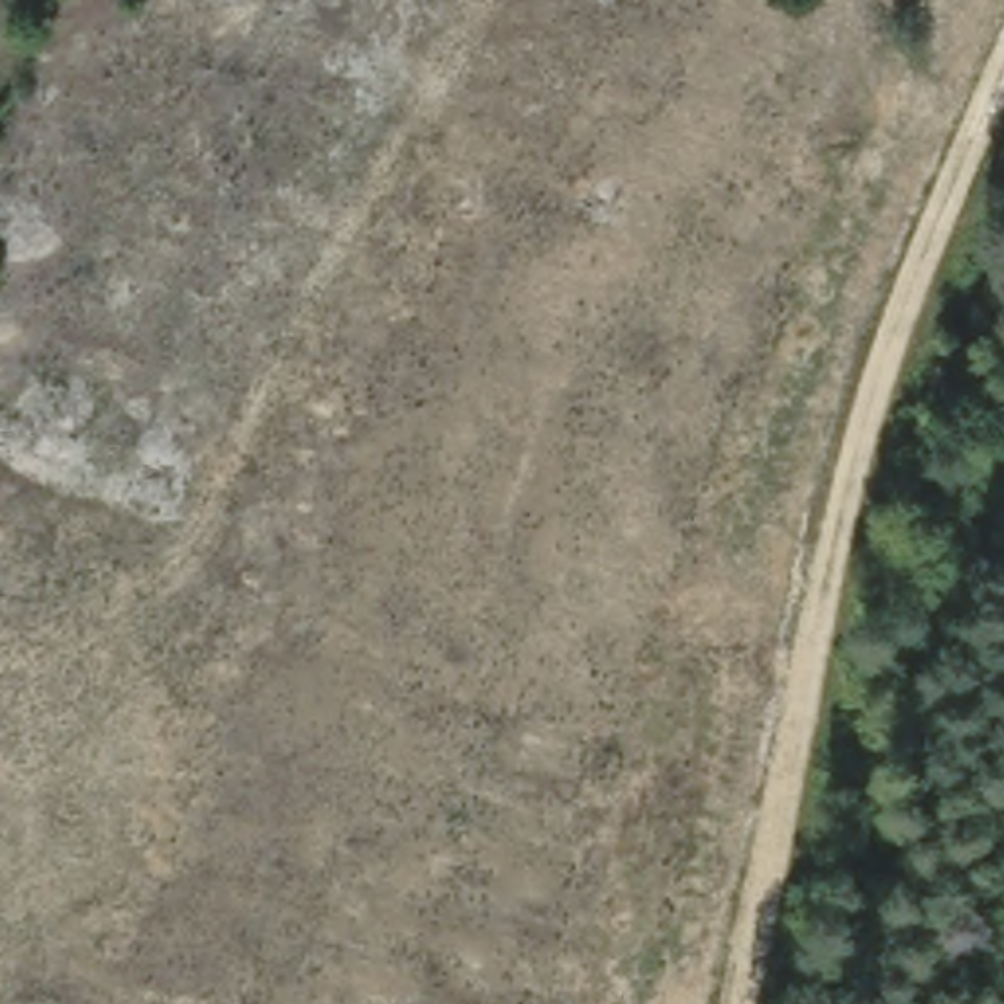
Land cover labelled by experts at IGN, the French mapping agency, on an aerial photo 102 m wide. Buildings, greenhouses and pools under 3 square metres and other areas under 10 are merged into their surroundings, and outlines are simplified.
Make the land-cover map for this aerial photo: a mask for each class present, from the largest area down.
<instances>
[{"label":"herbaceous vegetation","instance_id":"1","mask_svg":"<svg viewBox=\"0 0 1004 1004\"><path fill-rule=\"evenodd\" d=\"M929 39L910 43L902 51L894 43V31H886L894 20L890 0H63L59 16L51 20V43L39 51L35 94L16 102V118L0 137V1004H726L733 929L741 918V898L761 831V804L769 788V765H757V737L765 726V706L777 694L773 655L777 647H796L835 463L843 451L847 420L859 396V380L879 322L886 314L918 224L937 188V176L949 161V149L969 118L973 94L1004 31V0H933Z\"/></svg>","mask_w":1004,"mask_h":1004},{"label":"coniferous trees","instance_id":"2","mask_svg":"<svg viewBox=\"0 0 1004 1004\"><path fill-rule=\"evenodd\" d=\"M63 0H0V137L16 118V102L35 94L39 51L51 43V20L59 16ZM757 1004H1004V106L992 118L988 153L969 184V196L937 263L933 286L914 322L902 373L879 431L867 490L855 514L835 635L824 667L820 726L812 737V757L796 812L792 863L757 914Z\"/></svg>","mask_w":1004,"mask_h":1004},{"label":"pervious surface","instance_id":"3","mask_svg":"<svg viewBox=\"0 0 1004 1004\"><path fill-rule=\"evenodd\" d=\"M1004 106V31L973 94L969 118L949 149V161L937 176V188L918 224L886 314L879 322L859 380V396L847 420L843 451L835 463L796 647H777L773 655L777 694L765 706V726L757 737V765H769V788L761 804V831L741 898V918L733 929L726 1004H757V914L792 863L796 812L812 757V737L820 726L824 667L835 635L855 514L867 490L879 431L902 373L914 322L933 286L937 263L969 196V184L988 153L992 118Z\"/></svg>","mask_w":1004,"mask_h":1004},{"label":"deciduous trees","instance_id":"4","mask_svg":"<svg viewBox=\"0 0 1004 1004\"><path fill-rule=\"evenodd\" d=\"M894 20L886 31H894V43L902 51L910 43L929 39L933 0H890Z\"/></svg>","mask_w":1004,"mask_h":1004}]
</instances>
